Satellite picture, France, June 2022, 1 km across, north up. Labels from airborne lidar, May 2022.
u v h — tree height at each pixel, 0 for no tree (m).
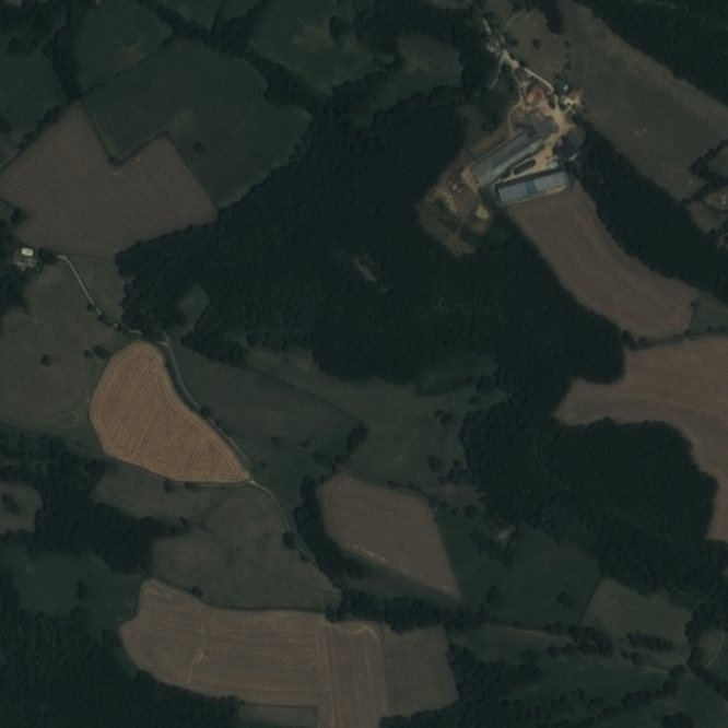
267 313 15
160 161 0
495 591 19
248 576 0
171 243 21
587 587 0
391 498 0
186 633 0
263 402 0
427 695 0
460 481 21
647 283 0
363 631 0
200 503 0
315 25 0
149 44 0
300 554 0
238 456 0
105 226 0
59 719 10
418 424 0
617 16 7
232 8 0
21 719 17
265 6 11
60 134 0
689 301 0
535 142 0
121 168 0
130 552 22
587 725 12
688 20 12
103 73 0
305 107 18
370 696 0
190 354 0
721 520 0
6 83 0
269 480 0
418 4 14
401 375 18
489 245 0
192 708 17
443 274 13
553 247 0
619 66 0
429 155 14
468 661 22
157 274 17
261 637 0
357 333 14
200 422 0
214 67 0
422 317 11
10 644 14
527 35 0
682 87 0
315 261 13
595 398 0
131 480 0
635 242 13
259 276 13
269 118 0
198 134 0
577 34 0
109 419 0
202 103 0
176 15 16
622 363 11
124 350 0
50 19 14
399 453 0
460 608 0
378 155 23
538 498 23
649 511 10
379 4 16
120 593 0
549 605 0
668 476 14
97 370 0
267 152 0
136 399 0
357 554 0
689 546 9
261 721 0
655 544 17
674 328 0
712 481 15
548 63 0
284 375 0
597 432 14
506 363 13
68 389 0
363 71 0
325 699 0
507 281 12
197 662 0
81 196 0
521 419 21
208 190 0
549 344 9
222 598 0
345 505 0
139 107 0
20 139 0
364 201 16
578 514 14
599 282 0
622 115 0
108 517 30
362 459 0
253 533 0
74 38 10
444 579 0
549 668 0
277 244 17
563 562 0
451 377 0
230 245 21
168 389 0
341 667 0
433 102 10
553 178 0
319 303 13
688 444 12
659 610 0
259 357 0
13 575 11
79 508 24
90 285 0
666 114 0
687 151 0
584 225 0
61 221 0
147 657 0
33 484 29
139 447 0
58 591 0
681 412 0
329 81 0
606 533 19
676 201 15
